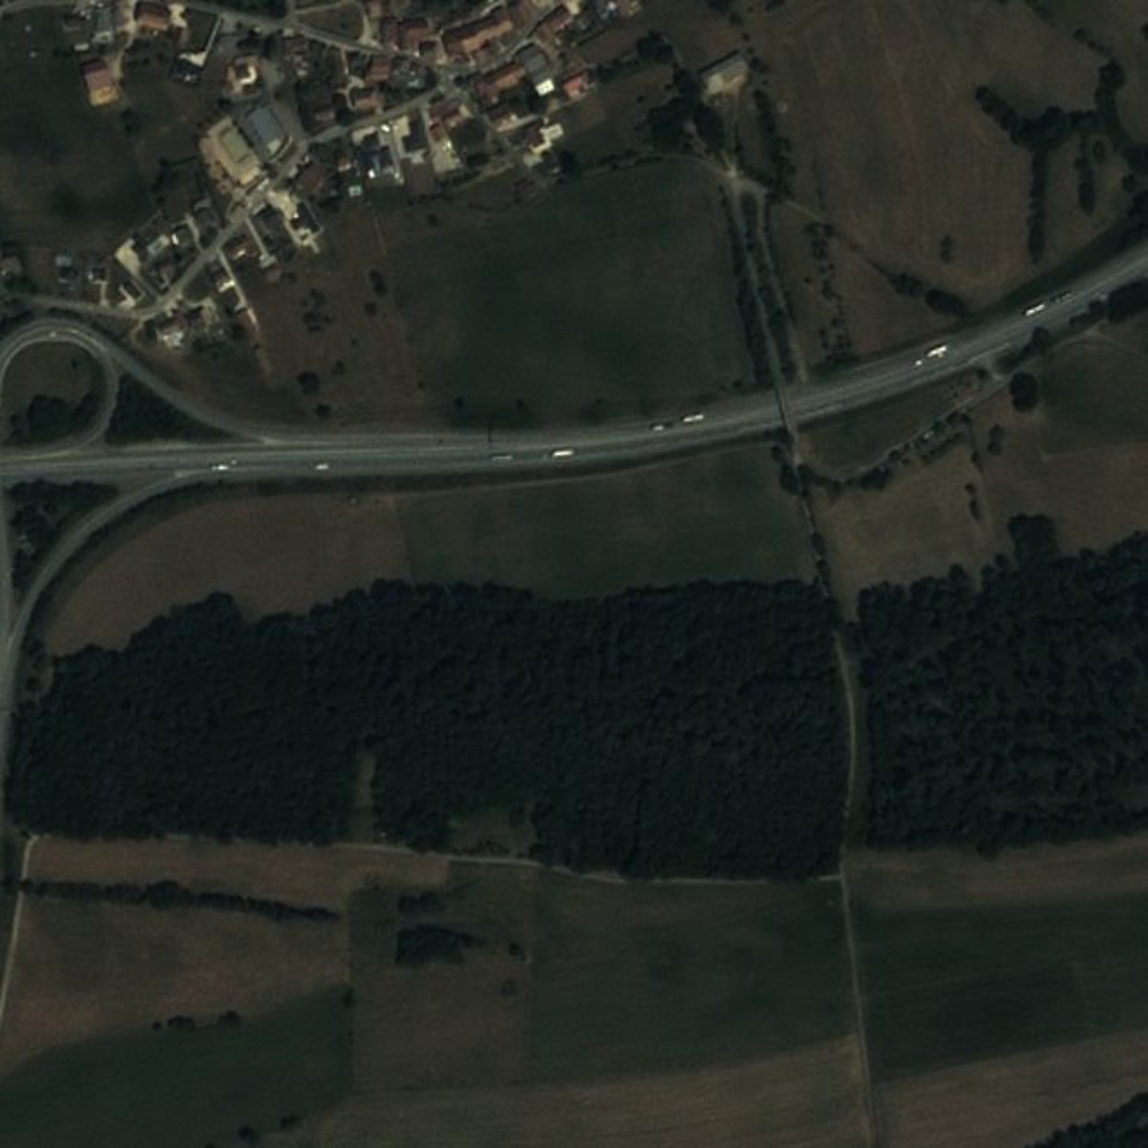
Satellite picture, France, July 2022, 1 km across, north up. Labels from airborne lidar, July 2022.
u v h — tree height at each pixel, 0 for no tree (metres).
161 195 6
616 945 0
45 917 0
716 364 0
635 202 0
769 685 24
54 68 0
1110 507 0
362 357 0
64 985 0
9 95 0
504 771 18
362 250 0
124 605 0
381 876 0
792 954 0
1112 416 0
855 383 0
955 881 0
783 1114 0
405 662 20
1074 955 0
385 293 8
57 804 25
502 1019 0
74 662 16
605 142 0
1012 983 0
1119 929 0
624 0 0
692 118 10
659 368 0
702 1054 0
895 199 0
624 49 0
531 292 0
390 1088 0
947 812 20
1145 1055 0
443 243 0
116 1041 0
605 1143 0
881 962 0
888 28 0
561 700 24
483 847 6
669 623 24
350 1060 0
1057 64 0
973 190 0
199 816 20
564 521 0
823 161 0
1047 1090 0
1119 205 0
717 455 0
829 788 18
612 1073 0
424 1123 0
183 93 0
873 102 0
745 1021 0
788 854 25
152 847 0
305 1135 0
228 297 0
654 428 0
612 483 0
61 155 0
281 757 17
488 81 0
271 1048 0
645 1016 0
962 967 0
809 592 18
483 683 26
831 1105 0
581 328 0
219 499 0
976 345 0
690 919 0
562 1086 0
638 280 0
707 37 0
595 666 29
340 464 0
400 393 0
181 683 21
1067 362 0
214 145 0
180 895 18
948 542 0
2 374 0
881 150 0
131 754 22
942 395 0
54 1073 0
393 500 0
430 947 23
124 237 0
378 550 0
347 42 0
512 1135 0
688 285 0
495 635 30
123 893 17
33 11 0
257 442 0
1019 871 0
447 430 0
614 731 19
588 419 0
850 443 0
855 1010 0
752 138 0
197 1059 0
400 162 0
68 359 0
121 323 0
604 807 20
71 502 8
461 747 20
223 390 0
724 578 0
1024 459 0
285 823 15
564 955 0
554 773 17
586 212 0
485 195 0
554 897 0
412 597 30
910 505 0
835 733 22
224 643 22
